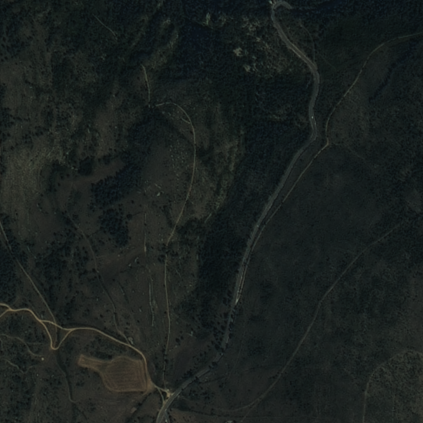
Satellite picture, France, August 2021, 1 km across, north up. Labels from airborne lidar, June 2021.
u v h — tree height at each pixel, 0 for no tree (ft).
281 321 0
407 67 38
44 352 0
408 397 0
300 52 0
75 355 0
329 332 0
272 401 0
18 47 42
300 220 0
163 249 21
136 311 0
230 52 26
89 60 25
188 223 20
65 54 30
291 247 0
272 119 20
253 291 0
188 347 0
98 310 0
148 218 0
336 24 66
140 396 0
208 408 0
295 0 44
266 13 33
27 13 27
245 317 0
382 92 25
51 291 35
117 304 0
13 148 34
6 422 30
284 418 0
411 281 0
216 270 30
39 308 0
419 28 45
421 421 0
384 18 31
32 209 0
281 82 23
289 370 0
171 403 0
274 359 0
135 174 35
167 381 0
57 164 21
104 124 0
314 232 0
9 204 0
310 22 22
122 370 0
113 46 21
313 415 0
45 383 0
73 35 27
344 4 55
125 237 42
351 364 0
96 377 0
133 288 0
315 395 0
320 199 0
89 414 0
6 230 21
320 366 0
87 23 21
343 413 0
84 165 47
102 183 42
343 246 0
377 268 0
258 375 0
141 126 47
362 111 0
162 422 0
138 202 0
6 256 27
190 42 20
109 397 0
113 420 0
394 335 0
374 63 0
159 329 0
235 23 19
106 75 29
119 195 30
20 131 0
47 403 0
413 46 37
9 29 45
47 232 0
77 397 0
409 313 0
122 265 0
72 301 22
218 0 46
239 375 0
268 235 0
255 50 19
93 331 0
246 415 0
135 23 24
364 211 0
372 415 0
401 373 0
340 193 0
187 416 0
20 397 0
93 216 0
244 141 19
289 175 0
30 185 0
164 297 0
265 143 28
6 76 0
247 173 26
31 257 0
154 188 0
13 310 0
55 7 32
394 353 0
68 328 0
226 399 0
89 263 0
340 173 0
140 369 0
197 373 0
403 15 50
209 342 0
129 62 20
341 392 0
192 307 23
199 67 23
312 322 0
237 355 0
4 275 30
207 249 25
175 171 0
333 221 0
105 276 0
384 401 0
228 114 18
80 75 22
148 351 0
